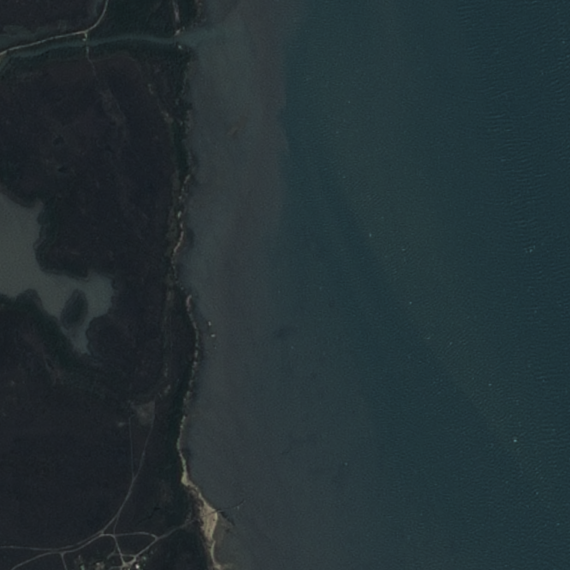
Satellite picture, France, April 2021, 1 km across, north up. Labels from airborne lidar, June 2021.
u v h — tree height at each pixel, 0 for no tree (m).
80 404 0
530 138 0
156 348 0
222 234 0
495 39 0
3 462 0
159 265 0
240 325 0
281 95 0
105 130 0
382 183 0
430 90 0
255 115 0
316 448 0
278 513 0
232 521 0
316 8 0
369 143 0
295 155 0
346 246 0
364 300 0
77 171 0
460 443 0
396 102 0
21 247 0
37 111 0
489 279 0
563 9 0
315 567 0
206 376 0
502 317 0
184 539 0
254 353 0
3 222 0
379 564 0
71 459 0
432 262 0
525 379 0
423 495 0
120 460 0
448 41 0
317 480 0
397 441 0
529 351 0
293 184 0
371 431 0
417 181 0
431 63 0
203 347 0
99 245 0
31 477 0
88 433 0
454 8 0
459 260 0
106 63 0
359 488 0
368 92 0
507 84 0
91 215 0
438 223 0
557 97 0
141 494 0
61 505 0
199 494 0
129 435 0
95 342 0
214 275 0
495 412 0
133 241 0
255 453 0
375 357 0
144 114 0
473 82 0
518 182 0
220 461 0
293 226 0
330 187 0
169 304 0
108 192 0
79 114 0
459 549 0
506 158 0
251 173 0
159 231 0
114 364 0
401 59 0
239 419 0
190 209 0
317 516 0
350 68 0
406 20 0
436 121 0
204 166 0
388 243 0
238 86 0
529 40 0
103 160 0
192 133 0
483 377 0
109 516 0
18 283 0
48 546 0
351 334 0
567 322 0
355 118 0
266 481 0
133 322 0
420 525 0
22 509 0
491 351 0
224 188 0
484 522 0
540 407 0
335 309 0
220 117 0
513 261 0
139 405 0
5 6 0
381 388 0
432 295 0
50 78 0
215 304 0
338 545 0
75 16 0
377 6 0
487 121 0
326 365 0
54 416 0
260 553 0
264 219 0
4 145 0
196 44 0
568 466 0
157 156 0
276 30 0
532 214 0
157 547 0
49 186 0
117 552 0
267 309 0
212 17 0
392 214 0
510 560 0
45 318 5
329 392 0
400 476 0
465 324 0
